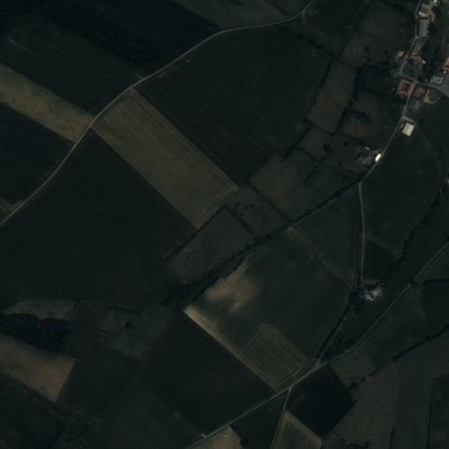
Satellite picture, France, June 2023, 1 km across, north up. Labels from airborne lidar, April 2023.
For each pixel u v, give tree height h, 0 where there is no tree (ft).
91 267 0
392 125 0
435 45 0
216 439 0
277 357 0
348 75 0
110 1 0
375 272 0
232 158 0
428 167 0
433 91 0
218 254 0
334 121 0
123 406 0
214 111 0
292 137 0
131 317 0
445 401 0
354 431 0
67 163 0
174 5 0
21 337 66
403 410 0
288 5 0
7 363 0
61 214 0
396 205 0
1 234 0
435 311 0
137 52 31
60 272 0
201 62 0
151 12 0
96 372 0
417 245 0
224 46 0
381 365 0
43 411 0
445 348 0
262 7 0
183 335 0
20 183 0
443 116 0
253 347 0
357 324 0
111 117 0
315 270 0
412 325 0
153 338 0
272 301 0
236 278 0
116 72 0
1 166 0
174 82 0
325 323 0
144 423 0
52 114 0
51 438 0
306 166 0
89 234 0
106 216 0
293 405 0
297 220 20
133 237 0
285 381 0
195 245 0
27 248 0
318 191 0
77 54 0
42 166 0
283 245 0
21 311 0
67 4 41
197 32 0
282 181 0
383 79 0
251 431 0
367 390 0
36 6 36
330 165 0
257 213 0
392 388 0
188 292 28
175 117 0
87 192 0
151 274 0
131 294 0
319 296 0
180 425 0
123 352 0
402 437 0
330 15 0
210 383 0
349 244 0
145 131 0
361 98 0
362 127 0
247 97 0
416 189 0
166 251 0
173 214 0
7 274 0
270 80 0
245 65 0
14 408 0
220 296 0
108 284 0
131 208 0
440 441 0
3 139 0
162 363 0
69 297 0
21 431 0
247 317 0
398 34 0
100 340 0
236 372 0
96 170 0
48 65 0
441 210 0
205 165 0
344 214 0
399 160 0
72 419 0
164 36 0
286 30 29
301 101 0
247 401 0
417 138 0
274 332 0
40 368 0
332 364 0
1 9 47
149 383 0
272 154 0
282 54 0
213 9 0
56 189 0
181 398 0
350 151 0
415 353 0
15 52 0
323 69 0
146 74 0
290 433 0
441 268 0
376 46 0
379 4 0
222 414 0
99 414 0
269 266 0
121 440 0
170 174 0
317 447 0
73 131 0
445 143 0
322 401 0
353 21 0
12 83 0
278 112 0
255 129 0
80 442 0
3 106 0
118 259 0
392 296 0
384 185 0
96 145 0
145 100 0
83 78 0
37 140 0
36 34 0
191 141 0
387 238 0
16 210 0
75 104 0
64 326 60
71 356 0
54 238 0
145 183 0
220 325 0
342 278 0
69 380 0
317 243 0
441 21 0
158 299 0
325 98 0
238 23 0
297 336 0
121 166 0
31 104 0
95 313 0
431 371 0
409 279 0
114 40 24
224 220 0
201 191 0
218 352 0
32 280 0
